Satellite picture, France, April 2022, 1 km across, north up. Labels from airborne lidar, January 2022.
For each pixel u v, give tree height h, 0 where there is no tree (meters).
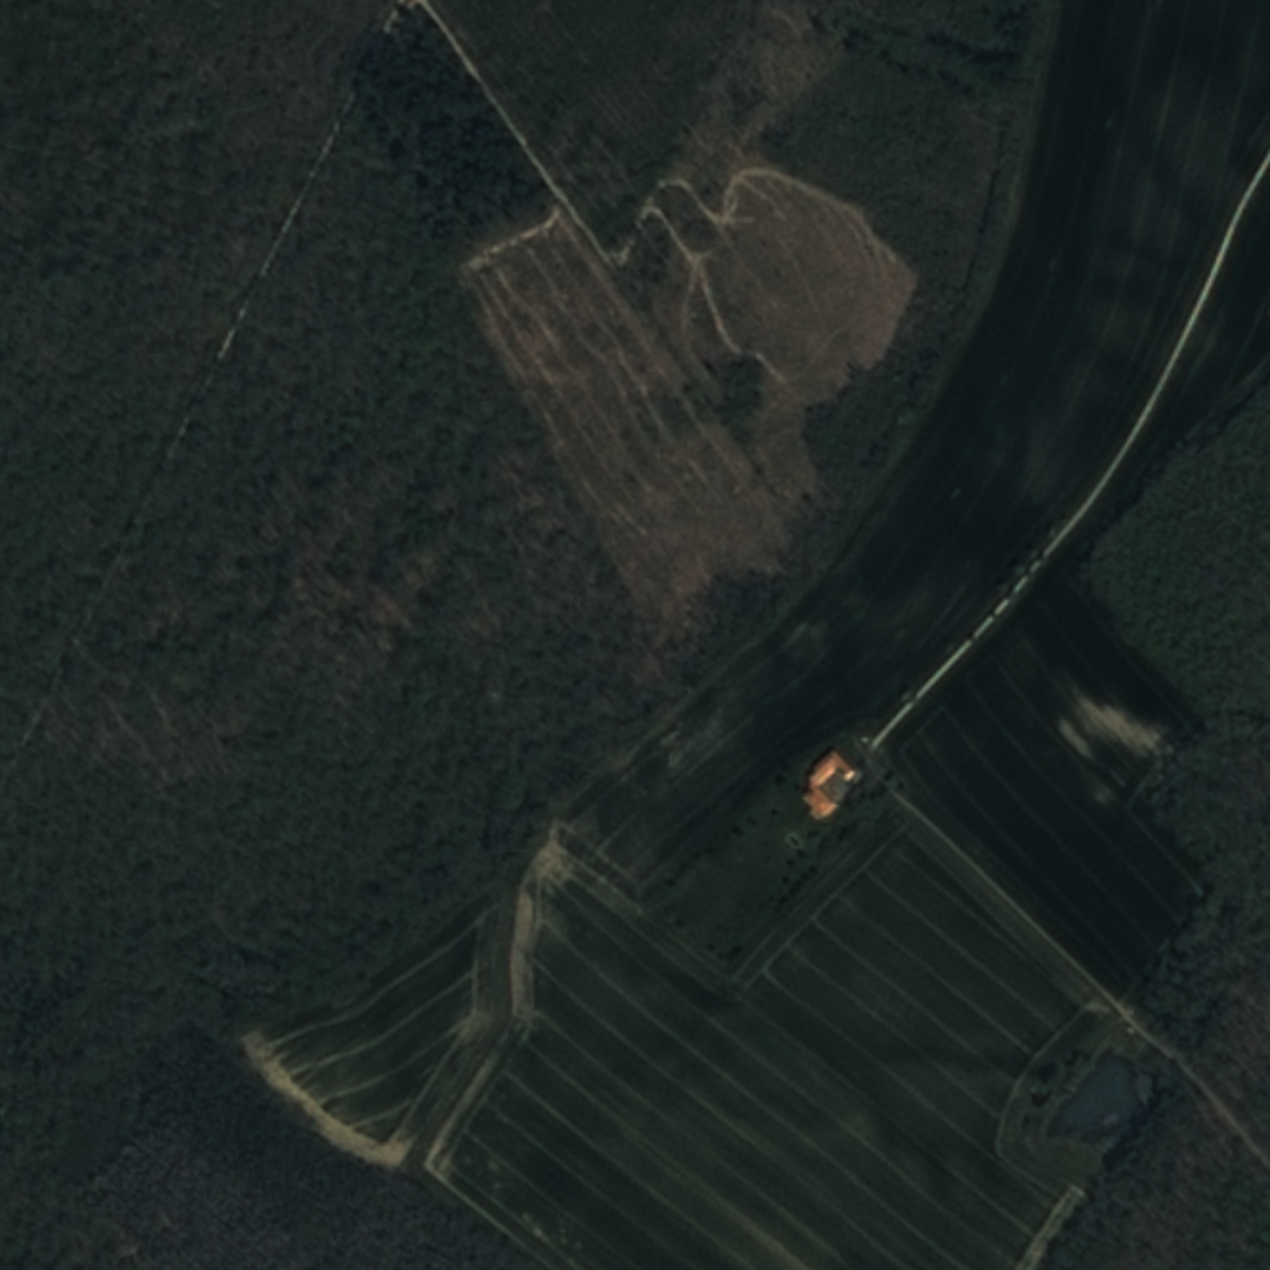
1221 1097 23
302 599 27
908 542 0
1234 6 0
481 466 21
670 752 0
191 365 21
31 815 20
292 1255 13
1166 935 0
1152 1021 20
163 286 25
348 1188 16
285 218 0
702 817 0
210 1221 19
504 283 0
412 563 30
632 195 24
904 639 0
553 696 24
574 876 0
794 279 0
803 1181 0
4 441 27
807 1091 0
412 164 27
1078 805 0
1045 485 0
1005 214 20
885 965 0
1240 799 26
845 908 0
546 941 0
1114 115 0
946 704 0
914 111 8
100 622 22
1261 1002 27
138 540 24
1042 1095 0
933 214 7
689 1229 0
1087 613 0
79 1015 18
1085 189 0
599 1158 0
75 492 24
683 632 0
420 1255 10
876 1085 0
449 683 24
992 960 0
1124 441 0
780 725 0
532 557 22
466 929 0
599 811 0
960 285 11
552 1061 0
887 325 0
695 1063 0
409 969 0
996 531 0
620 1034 0
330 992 19
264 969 26
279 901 22
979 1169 0
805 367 0
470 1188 0
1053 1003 0
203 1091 16
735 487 0
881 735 0
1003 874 0
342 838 23
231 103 7
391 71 23
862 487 18
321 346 25
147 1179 15
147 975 26
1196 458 19
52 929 25
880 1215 0
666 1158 0
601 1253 0
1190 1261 26
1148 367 0
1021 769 0
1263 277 0
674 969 0
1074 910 0
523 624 25
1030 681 0
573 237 0
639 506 0
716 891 0
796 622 0
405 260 27
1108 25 0
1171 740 0
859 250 0
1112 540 20
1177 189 0
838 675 0
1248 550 21
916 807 0
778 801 0
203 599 26
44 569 22
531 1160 0
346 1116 0
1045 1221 0
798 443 0
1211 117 0
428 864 24
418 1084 0
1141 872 0
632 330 0
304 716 20
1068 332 0
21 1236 21
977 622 0
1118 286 0
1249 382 0
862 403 7
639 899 0
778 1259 0
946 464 0
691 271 0
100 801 21
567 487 18
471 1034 0
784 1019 0
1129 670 0
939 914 0
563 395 0
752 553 0
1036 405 0
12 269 24
